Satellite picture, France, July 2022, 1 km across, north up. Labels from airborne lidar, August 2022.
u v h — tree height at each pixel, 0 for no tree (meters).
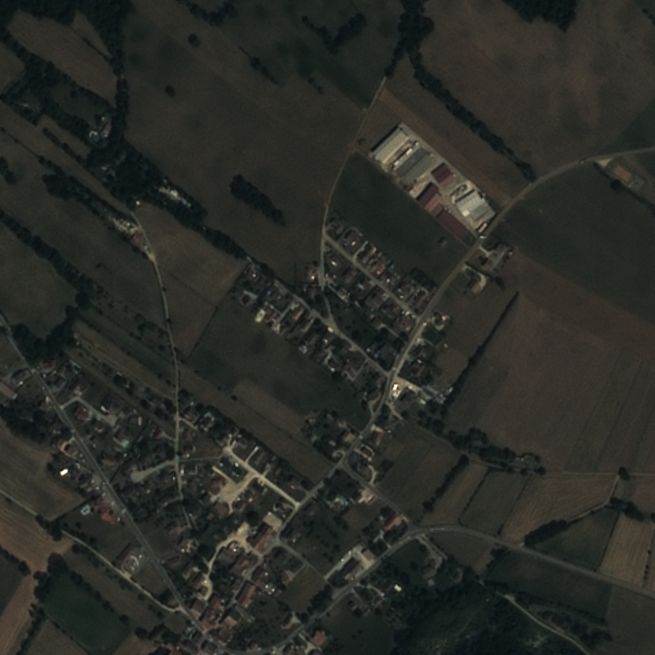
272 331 0
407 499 0
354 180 0
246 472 0
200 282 0
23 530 0
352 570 0
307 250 0
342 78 0
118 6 15
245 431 12
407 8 14
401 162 0
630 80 0
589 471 0
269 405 0
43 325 0
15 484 0
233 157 0
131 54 0
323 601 17
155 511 7
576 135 0
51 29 0
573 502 0
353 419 0
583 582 0
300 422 0
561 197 0
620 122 0
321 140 0
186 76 0
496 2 0
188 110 0
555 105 0
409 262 0
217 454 0
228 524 0
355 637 8
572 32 0
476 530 0
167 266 0
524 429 0
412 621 15
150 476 0
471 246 0
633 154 0
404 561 0
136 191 14
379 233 0
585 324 0
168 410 14
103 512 0
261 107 0
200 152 0
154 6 0
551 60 0
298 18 0
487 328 0
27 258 0
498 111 0
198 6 13
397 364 0
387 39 0
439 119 0
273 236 0
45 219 0
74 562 0
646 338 0
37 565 0
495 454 7
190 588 5
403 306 0
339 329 0
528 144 0
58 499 0
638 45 0
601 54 0
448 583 0
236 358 0
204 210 12
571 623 14
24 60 10
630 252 0
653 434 0
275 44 0
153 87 0
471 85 0
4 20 17
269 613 0
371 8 0
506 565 0
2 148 0
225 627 0
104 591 0
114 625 0
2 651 0
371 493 0
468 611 0
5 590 0
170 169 0
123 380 11
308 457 0
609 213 0
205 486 0
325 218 0
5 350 0
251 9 0
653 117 0
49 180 17
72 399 0
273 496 0
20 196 0
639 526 0
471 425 0
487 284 0
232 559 0
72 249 0
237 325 0
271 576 0
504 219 0
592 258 0
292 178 0
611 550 0
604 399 0
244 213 0
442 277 0
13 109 9
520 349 0
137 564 0
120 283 0
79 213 0
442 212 0
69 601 0
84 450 0
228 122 0
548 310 0
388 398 0
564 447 0
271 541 0
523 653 8
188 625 9
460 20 0
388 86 0
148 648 0
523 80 0
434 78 14
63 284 0
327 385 0
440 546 6
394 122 0
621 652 0
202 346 0
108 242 0
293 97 0
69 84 12
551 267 0
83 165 9
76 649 0
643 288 0
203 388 0
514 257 0
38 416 15
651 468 0
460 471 7
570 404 0
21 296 0
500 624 10
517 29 0
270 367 0
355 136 0
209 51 0
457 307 0
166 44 0
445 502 0
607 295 0
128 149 13
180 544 0
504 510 0
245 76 0
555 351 0
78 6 11
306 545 0
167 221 0
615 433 0
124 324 0
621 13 0
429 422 10
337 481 0
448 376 0
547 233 0
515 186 0
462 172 0
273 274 13
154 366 0
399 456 0
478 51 0
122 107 15
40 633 0
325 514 0
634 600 0
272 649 0
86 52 0
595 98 0
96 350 0
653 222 0
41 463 0
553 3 16
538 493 0
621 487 0
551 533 16
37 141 0
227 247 13
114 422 0
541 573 0
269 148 0
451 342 0
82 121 9
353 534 0
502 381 0
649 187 0
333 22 0
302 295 9
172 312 0
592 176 0
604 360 0
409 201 0
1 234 0
